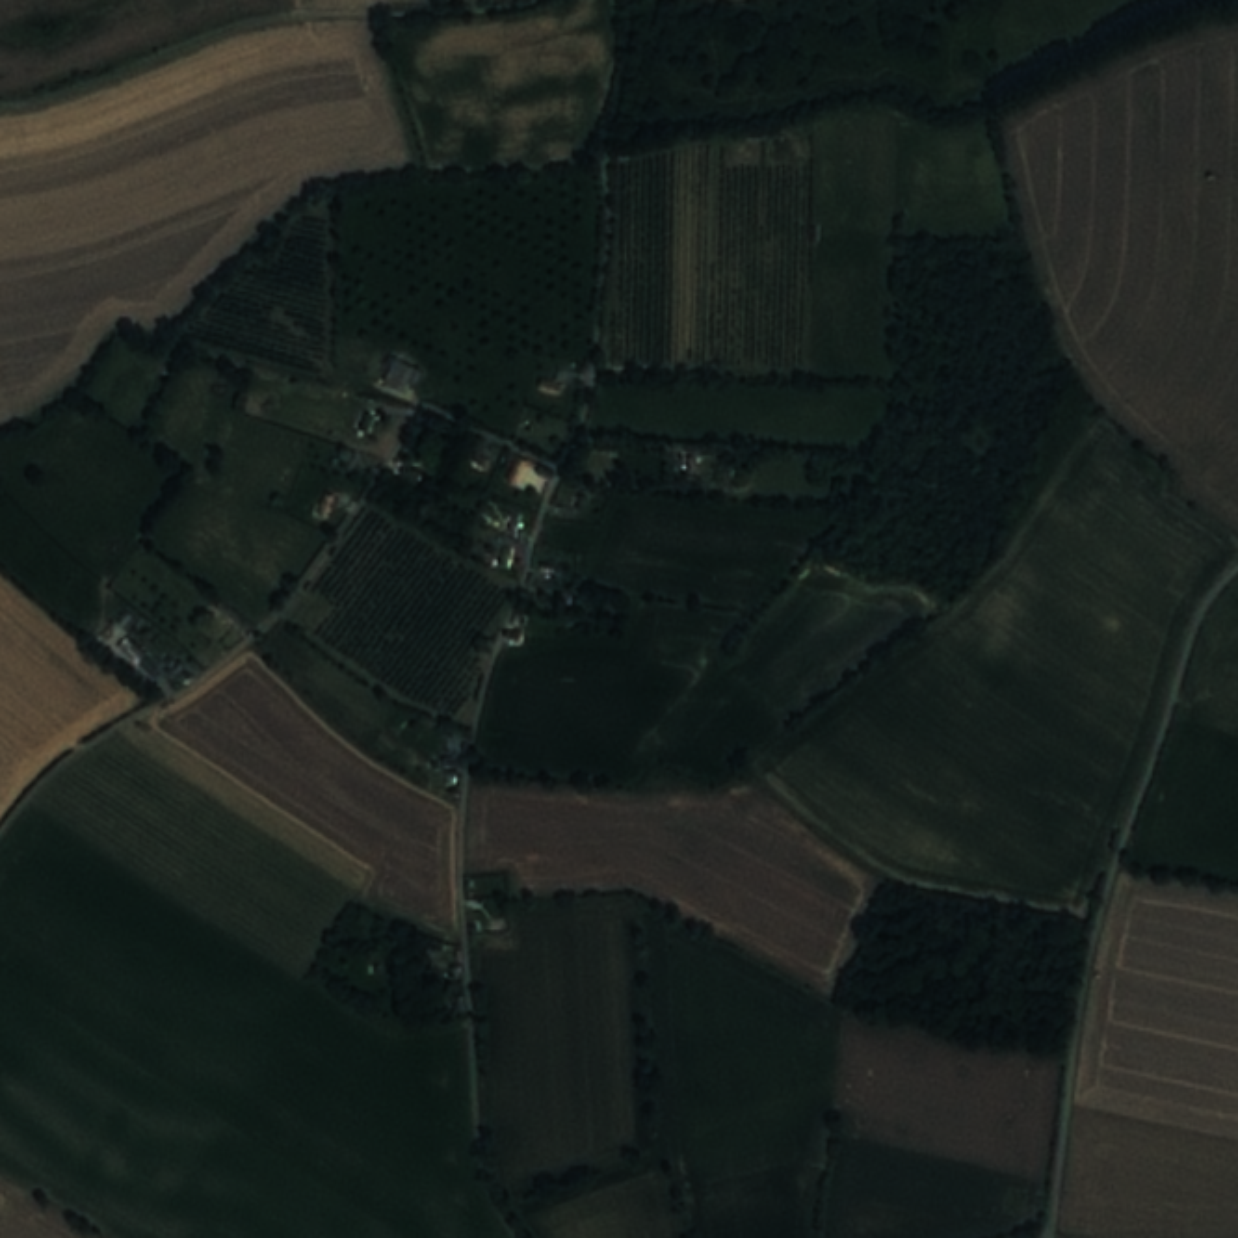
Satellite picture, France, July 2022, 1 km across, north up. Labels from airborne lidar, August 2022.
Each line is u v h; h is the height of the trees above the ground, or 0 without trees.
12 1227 0
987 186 0
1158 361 0
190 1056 0
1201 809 0
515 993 0
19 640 0
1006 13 0
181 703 0
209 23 0
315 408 0
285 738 0
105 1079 0
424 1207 0
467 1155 0
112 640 0
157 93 0
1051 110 0
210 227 0
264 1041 0
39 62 0
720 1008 0
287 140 0
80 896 0
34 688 0
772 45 10
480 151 0
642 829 0
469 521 8
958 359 11
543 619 10
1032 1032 19
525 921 0
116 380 0
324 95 0
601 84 0
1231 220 0
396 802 0
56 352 0
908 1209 0
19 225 0
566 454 8
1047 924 19
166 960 0
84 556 0
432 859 0
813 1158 0
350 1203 0
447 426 10
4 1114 0
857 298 0
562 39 0
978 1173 0
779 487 0
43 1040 0
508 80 0
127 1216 0
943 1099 0
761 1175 0
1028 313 13
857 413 0
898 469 13
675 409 0
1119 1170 0
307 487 0
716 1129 0
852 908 0
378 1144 0
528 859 0
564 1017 0
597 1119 0
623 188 6
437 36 0
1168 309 0
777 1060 0
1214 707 0
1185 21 34
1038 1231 10
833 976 0
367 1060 0
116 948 0
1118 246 0
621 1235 0
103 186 0
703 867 0
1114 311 0
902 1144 0
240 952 0
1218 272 0
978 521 12
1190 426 0
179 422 0
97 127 0
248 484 0
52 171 0
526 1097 0
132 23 0
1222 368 0
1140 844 0
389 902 0
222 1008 0
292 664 0
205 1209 0
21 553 0
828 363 0
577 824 0
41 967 0
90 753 0
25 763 0
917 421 25
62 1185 0
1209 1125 0
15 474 0
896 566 10
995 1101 0
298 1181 0
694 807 0
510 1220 12
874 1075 0
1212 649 0
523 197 8
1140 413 0
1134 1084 0
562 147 0
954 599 13
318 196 20
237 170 0
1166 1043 0
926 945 16
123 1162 0
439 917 0
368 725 0
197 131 0
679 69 8
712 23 10
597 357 12
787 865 0
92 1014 0
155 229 0
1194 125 0
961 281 13
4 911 0
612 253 6
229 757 0
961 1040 19
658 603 7
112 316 0
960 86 0
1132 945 0
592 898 8
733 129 12
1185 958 0
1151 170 0
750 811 0
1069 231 0
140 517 0
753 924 0
